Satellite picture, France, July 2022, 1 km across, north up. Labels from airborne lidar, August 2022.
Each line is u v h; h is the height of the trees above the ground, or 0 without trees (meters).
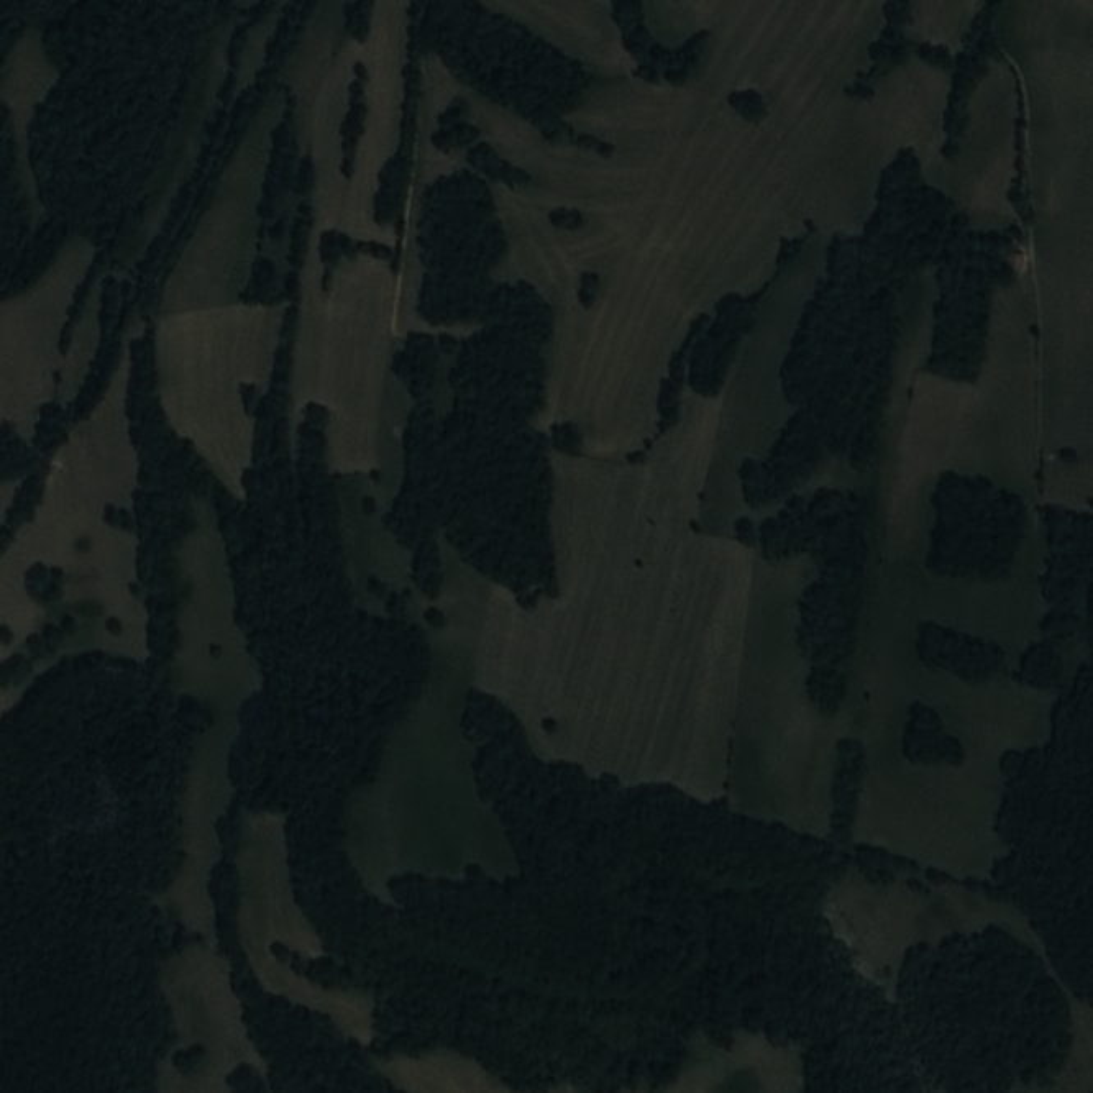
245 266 0
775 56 0
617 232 0
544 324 20
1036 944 0
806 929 22
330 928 19
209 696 0
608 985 16
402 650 18
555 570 10
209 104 0
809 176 0
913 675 0
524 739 18
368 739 6
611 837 17
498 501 12
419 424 14
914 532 0
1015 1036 14
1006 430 0
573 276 0
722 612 0
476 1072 0
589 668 0
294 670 22
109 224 17
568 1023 18
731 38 0
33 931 25
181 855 8
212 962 0
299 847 18
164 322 0
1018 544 18
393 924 18
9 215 19
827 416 15
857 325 18
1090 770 15
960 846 0
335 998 0
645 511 0
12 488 0
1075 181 0
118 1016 13
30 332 0
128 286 12
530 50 24
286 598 17
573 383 0
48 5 17
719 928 21
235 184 0
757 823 11
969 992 14
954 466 0
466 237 23
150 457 19
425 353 14
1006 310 0
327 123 0
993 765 0
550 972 15
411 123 10
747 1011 13
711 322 7
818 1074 9
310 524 20
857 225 0
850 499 9
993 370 0
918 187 19
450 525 13
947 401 0
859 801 12
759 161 0
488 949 18
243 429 0
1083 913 16
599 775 0
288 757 20
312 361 0
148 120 17
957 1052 11
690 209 0
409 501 14
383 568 0
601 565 0
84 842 24
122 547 0
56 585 17
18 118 0
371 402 0
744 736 0
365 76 13
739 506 0
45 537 0
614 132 0
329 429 0
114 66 16
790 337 0
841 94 0
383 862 0
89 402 17
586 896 14
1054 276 0
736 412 0
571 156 0
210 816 0
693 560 0
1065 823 16
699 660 0
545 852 23
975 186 0
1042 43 0
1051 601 15
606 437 0
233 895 21
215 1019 0
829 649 22
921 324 0
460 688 0
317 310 0
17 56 0
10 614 0
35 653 8
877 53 16
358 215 0
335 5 0
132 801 19
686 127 0
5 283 9
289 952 10
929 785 0
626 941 23
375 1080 21
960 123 17
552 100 22
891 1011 6
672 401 16
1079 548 14
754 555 0
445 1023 12
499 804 13
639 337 0
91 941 19
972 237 19
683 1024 15
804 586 0
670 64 14
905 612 0
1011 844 10
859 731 0
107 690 22
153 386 19
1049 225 0
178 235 12
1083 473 0
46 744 24
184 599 0
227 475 0
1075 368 0
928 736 18
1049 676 7
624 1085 17
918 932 0
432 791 0
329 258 18
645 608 0
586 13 0
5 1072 26
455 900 14
